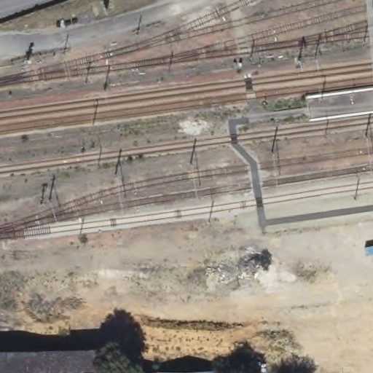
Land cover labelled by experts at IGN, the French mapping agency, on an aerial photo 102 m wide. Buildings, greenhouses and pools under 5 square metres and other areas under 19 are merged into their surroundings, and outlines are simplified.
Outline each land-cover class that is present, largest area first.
<instances>
[{"label":"pervious surface","instance_id":"1","mask_svg":"<svg viewBox=\"0 0 373 373\"><path fill-rule=\"evenodd\" d=\"M367 12L366 0H68L50 9L39 10L0 25V331L58 335L63 339V344L68 345L66 351H96L111 341L109 338H119L141 354L140 357L134 358V370L143 373H373V114L310 122L303 108L264 111L262 102L277 103L294 101L297 98L306 99L309 95L319 93L373 87V76H366V71H372V63H364V58L361 57L370 51L369 23L367 20H358V13Z\"/></svg>","mask_w":373,"mask_h":373},{"label":"impervious surface","instance_id":"2","mask_svg":"<svg viewBox=\"0 0 373 373\"><path fill-rule=\"evenodd\" d=\"M68 0H0V25L39 10L50 9ZM367 12L358 13V20H367L369 23L370 51L361 57L364 58V63H372V71H366V76H373V0H366ZM310 122L373 114V87L319 93L309 95L306 99V108H303Z\"/></svg>","mask_w":373,"mask_h":373},{"label":"building","instance_id":"3","mask_svg":"<svg viewBox=\"0 0 373 373\"><path fill-rule=\"evenodd\" d=\"M96 351H66L0 353V373H93Z\"/></svg>","mask_w":373,"mask_h":373},{"label":"herbaceous vegetation","instance_id":"4","mask_svg":"<svg viewBox=\"0 0 373 373\"><path fill-rule=\"evenodd\" d=\"M303 108H306V99L297 98L294 101L277 103L262 102L264 111ZM68 345L63 344V339L58 335L0 331V353L66 351Z\"/></svg>","mask_w":373,"mask_h":373},{"label":"deciduous trees","instance_id":"5","mask_svg":"<svg viewBox=\"0 0 373 373\"><path fill-rule=\"evenodd\" d=\"M111 341L96 351L93 373H143L134 370V358L140 357L141 354L119 338H109Z\"/></svg>","mask_w":373,"mask_h":373}]
</instances>
